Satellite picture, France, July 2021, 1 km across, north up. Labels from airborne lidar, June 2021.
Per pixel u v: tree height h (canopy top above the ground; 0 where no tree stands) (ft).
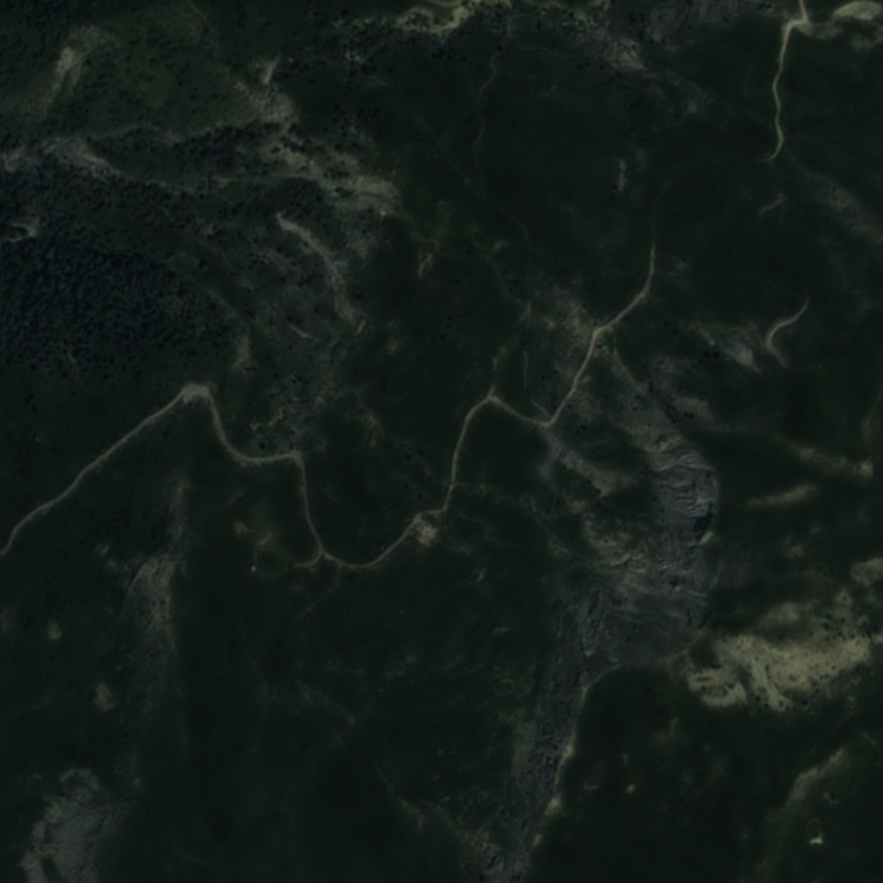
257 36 0
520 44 0
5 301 43
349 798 0
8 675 0
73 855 0
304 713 0
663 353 0
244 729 0
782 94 0
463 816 0
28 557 0
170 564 0
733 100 0
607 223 0
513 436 0
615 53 0
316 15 21
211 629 0
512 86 0
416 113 0
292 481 0
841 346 0
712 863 0
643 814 0
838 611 0
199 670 0
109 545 0
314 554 0
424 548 0
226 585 0
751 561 0
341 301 0
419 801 0
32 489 0
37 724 0
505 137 0
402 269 0
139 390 0
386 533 0
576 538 0
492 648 0
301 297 0
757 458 0
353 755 0
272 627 0
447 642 0
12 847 0
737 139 0
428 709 0
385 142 0
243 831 0
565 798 0
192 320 23
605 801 0
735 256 0
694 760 0
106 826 0
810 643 0
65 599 0
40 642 0
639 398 22
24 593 0
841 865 0
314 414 0
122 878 0
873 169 0
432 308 0
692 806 0
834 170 0
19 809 0
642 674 0
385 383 0
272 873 0
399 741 0
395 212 0
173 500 0
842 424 0
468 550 0
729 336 0
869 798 0
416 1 0
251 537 0
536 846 0
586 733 0
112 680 0
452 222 0
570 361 0
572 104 0
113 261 27
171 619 0
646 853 0
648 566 0
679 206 0
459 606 0
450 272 0
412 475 0
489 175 0
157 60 30
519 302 0
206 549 0
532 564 0
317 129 0
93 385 0
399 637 0
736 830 0
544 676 0
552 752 0
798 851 0
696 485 0
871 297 0
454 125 0
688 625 0
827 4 0
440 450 0
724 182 0
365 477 0
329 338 0
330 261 0
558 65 0
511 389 0
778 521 0
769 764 0
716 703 0
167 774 0
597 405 0
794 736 0
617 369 0
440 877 0
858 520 0
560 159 0
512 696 0
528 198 0
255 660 0
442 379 0
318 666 0
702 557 0
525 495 0
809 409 0
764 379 0
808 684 0
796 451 0
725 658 0
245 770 0
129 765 0
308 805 0
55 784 0
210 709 0
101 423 0
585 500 0
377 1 0
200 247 0
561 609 0
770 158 0
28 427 0
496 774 0
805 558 0
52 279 79
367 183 0
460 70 0
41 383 0
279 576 0
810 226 0
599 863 0
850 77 0
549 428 0
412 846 0
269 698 0
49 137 21
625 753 0
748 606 0
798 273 0
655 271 0
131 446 0
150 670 0
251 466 0
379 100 0
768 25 0
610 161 0
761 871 0
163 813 0
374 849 0
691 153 0
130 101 25
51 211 24
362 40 25
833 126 0
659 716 0
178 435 0
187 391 0
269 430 0
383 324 0
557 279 0
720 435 0
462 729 0
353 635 0
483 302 0
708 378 0
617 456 0
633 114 0
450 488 0
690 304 0
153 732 0
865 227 0
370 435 0
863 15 0
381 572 0
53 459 0
